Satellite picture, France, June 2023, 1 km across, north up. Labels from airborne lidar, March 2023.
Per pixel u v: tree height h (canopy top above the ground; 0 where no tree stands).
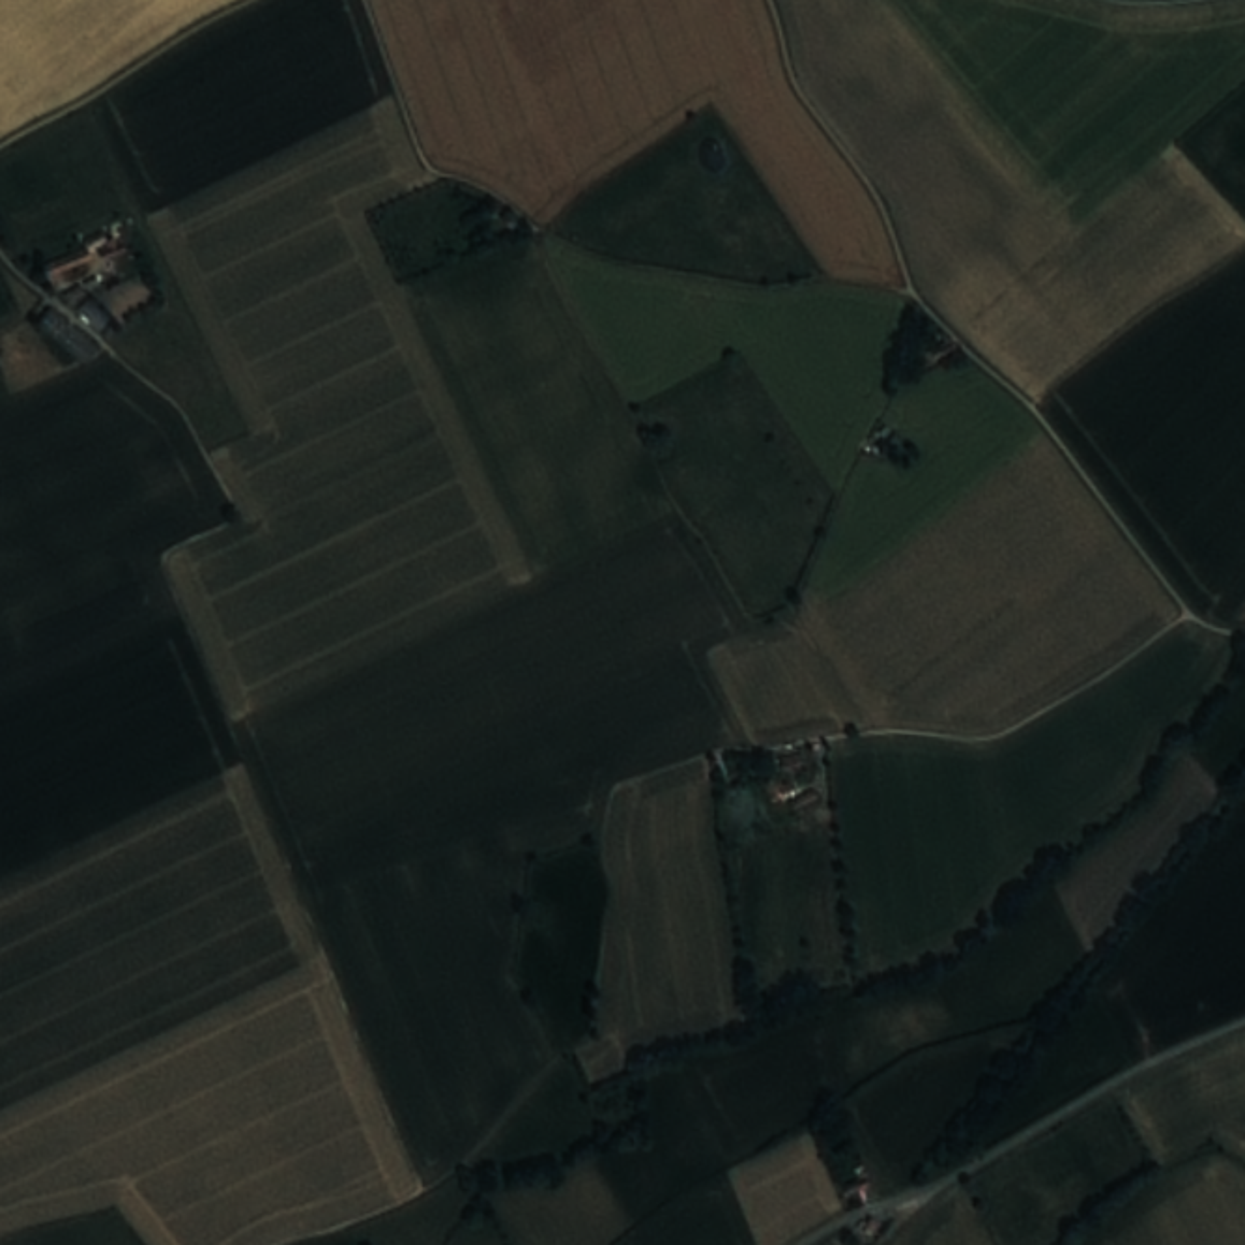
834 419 0
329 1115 0
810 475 0
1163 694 0
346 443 0
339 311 0
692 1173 0
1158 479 0
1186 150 0
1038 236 0
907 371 22
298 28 0
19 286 0
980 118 0
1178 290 0
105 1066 0
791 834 0
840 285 0
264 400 0
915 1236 0
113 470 0
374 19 0
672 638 0
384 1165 0
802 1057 0
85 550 0
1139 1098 0
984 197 0
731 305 0
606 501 0
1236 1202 0
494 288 0
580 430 0
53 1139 0
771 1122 0
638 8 0
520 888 0
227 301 0
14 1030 0
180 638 0
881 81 0
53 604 0
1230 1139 0
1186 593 0
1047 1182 0
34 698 0
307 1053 0
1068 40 0
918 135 0
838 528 0
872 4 0
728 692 0
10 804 0
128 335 0
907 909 0
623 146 0
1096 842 10
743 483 0
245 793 0
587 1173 0
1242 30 0
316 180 0
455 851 0
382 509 0
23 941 0
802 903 0
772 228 0
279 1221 0
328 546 0
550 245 0
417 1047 0
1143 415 0
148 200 0
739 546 0
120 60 0
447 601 0
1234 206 0
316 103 0
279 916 0
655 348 0
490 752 0
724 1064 0
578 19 0
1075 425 0
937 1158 11
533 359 0
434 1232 0
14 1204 0
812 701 0
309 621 0
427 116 0
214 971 0
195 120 0
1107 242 0
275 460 0
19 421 0
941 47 0
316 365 0
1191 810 0
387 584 0
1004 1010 0
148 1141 0
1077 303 0
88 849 0
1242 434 0
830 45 0
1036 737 0
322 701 0
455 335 0
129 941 0
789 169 0
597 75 0
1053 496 0
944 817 0
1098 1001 0
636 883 0
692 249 0
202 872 0
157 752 0
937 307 0
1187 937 0
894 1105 0
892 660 0
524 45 0
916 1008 0
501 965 0
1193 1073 0
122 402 0
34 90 0
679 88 0
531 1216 0
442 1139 0
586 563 0
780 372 0
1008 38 0
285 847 0
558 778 0
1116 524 0
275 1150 0
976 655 0
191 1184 0
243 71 0
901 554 0
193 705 0
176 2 0
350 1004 0
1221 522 0
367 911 0
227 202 0
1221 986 0
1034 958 0
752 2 0
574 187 0
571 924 0
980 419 0
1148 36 0
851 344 0
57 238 0
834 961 0
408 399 0
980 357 0
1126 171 0
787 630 0
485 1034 0
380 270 0
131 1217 0
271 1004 0
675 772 0
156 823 0
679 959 0
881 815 0
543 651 0
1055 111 0
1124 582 0
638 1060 17
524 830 0
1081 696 0
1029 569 0
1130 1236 0
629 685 0
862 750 0
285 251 0
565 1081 0
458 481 0
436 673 0
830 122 0
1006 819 0
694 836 0
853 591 0
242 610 0
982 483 0
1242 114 0
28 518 0
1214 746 0
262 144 0
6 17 0
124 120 0
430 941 0
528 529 0
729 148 0
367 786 0
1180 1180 0
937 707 0
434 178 0
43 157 0
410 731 0
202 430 0
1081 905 0
